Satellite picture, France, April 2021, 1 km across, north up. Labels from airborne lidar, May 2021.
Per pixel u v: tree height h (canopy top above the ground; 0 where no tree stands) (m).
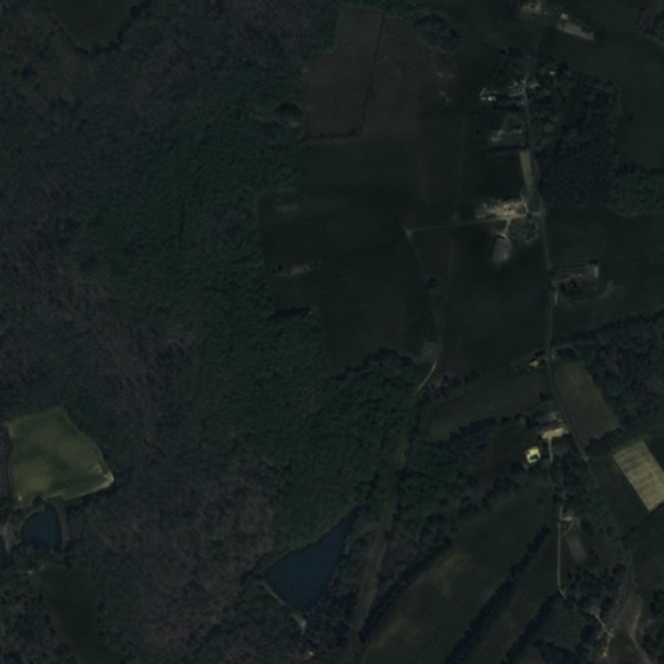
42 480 0
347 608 15
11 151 28
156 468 20
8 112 21
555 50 0
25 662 17
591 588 13
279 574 0
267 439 20
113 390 19
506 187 0
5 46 15
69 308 14
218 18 11
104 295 17
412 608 0
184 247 19
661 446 0
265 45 16
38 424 0
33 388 23
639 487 0
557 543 0
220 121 13
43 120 19
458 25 0
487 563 0
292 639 13
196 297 17
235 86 19
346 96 0
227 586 10
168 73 10
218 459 17
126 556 12
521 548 0
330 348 0
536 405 0
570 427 0
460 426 0
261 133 16
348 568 21
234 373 17
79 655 0
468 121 0
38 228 13
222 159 18
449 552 11
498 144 0
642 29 10
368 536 7
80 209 23
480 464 0
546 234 0
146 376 12
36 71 10
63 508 0
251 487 10
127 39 20
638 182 17
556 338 0
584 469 18
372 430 22
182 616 9
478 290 0
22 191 18
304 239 0
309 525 16
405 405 18
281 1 14
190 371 19
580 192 24
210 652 17
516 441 0
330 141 6
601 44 0
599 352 15
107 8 0
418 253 0
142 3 0
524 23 0
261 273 16
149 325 17
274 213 0
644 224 0
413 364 17
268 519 16
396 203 0
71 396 19
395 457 19
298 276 0
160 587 17
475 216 0
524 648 19
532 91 8
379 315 0
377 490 20
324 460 19
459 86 0
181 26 19
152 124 15
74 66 13
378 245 0
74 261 17
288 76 19
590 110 13
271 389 14
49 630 11
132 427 19
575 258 0
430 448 13
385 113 0
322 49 10
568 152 16
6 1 12
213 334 16
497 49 0
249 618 19
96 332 21
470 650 19
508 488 16
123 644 21
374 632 23
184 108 20
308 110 0
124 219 12
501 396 0
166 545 17
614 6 0
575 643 10
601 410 0
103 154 20
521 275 0
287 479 17
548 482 21
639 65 0
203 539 12
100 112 18
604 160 23
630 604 0
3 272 13
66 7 0
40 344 22
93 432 14
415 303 0
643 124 0
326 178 0
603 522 9
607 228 0
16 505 0
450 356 0
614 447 17
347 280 0
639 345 20
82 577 0
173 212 13
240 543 9
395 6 17
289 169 19
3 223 17
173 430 17
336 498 18
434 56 0
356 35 0
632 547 0
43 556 19
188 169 16
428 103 0
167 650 12
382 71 0
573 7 0
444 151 0
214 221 21
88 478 0
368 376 17
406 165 0
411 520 7
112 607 20
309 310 9
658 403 20
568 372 0
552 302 0
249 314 19
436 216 0
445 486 20
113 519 14
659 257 0
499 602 17
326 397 10
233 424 20
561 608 8
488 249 0
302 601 0
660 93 0
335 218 0
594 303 0
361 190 0
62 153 23
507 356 0
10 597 18
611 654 0
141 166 17
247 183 22
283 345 20
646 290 0
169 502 12
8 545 0
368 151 0
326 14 13
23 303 10
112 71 19
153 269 15
